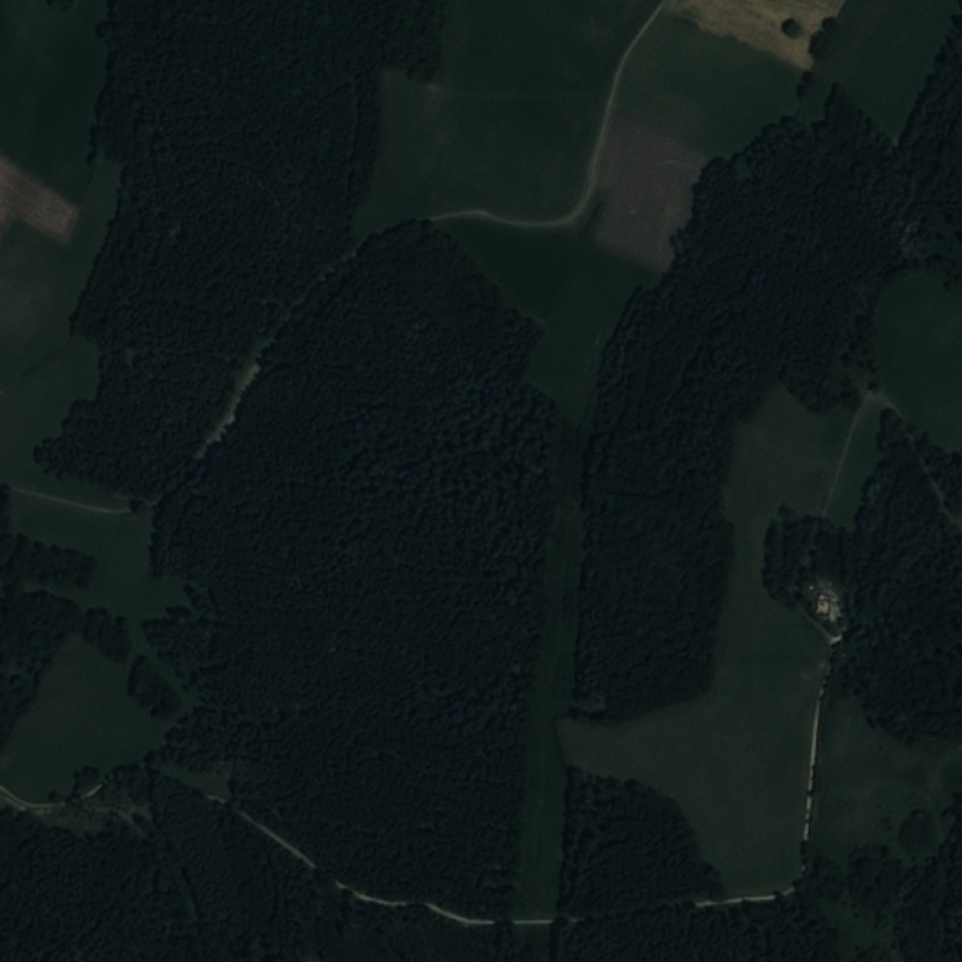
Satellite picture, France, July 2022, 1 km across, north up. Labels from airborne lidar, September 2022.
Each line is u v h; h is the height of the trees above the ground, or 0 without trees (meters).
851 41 0
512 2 0
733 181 22
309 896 29
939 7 0
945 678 24
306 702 27
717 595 22
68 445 23
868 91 0
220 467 22
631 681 17
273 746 23
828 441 0
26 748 0
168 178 21
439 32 17
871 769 0
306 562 21
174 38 13
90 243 0
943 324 0
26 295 0
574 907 22
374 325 23
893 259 20
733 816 0
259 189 17
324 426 20
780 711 0
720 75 0
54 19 0
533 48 0
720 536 23
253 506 19
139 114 10
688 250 19
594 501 20
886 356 0
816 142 20
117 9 20
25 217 0
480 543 22
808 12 0
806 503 0
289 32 15
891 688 19
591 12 0
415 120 0
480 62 0
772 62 0
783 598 25
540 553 26
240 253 19
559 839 0
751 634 0
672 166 0
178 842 33
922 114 16
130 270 24
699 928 23
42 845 25
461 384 27
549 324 0
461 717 30
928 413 0
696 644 24
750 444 0
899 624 25
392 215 0
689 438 18
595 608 19
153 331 17
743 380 25
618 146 0
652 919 19
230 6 11
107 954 25
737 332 24
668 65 0
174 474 26
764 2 0
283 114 11
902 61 0
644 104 0
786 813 0
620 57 0
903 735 21
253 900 20
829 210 24
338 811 19
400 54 22
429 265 19
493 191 0
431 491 23
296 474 15
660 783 0
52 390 0
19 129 0
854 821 0
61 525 0
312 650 21
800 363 23
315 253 22
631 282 0
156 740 0
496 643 20
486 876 19
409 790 19
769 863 0
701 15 0
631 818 16
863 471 0
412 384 21
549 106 0
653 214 0
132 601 0
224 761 23
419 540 26
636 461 22
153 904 17
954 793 0
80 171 0
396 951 7
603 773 0
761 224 21
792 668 0
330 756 19
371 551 20
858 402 19
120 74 23
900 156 15
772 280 28
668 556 20
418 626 23
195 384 20
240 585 21
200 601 32
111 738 0
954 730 22
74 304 0
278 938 25
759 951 23
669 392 15
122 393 20
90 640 15
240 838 18
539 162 0
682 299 23
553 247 0
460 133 0
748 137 0
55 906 17
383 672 21
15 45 0
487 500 34
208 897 32
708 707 0
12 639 11
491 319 14
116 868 25
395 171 0
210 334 23
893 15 0
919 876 15
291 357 21
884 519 13
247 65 13
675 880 23
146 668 21
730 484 13
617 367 19
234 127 20
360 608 22
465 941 6
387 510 27
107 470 21
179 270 25
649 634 16
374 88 12
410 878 18
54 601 23
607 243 0
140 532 0
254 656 19
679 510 23
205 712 19
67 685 0
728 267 15
